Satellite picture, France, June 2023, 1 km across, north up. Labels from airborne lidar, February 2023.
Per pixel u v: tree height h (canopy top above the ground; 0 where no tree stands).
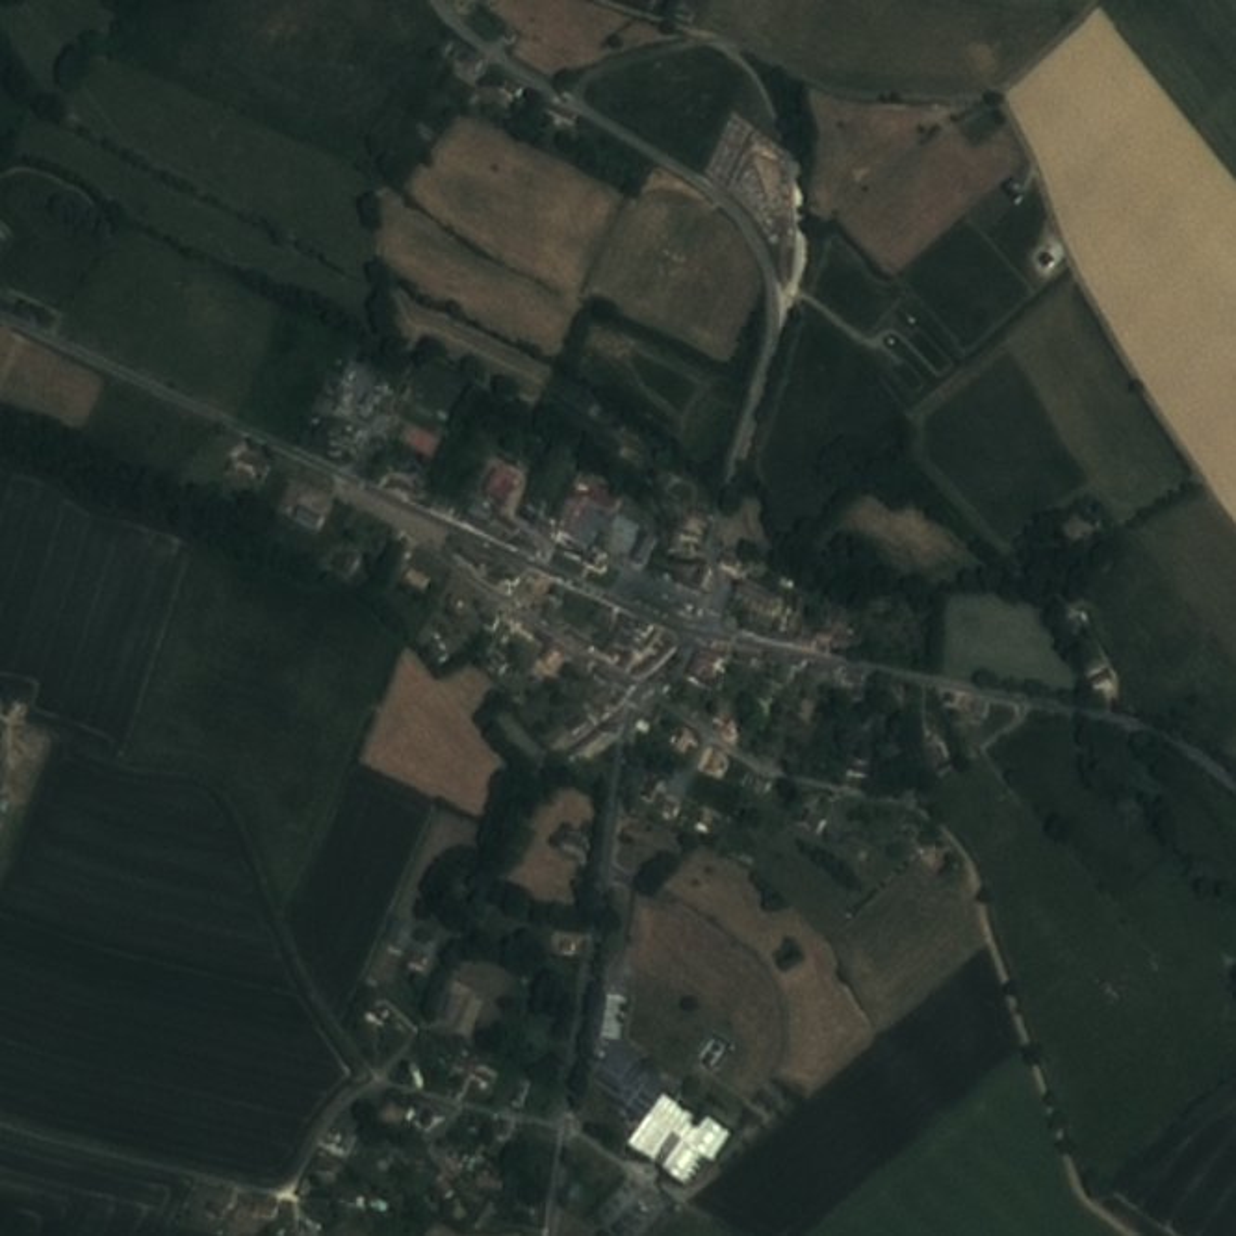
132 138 0
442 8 0
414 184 0
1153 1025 0
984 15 0
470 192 0
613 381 0
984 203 0
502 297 0
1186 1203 0
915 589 18
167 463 0
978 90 0
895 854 9
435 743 0
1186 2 0
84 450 23
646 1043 0
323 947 0
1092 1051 0
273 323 0
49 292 0
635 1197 0
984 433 0
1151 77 0
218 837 0
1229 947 0
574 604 17
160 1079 0
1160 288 0
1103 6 0
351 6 0
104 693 0
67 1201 0
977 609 0
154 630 0
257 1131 0
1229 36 0
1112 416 0
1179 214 0
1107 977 0
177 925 0
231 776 0
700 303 0
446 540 8
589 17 0
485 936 18
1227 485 0
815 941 0
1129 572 0
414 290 12
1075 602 14
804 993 0
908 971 0
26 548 0
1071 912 0
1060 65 0
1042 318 0
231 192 0
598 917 16
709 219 0
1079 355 0
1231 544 0
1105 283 0
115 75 0
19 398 0
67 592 0
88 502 17
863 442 12
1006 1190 0
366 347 8
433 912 14
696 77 0
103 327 0
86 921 0
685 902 0
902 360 0
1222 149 0
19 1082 0
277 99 0
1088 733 17
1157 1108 0
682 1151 0
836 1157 0
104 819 0
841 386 0
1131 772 0
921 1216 0
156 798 0
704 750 0
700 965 0
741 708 9
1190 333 0
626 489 12
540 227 0
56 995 0
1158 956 0
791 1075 0
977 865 0
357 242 0
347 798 0
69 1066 0
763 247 0
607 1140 13
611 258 0
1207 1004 0
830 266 0
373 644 0
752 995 0
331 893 0
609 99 0
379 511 11
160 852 0
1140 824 19
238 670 0
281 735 0
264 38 0
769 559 10
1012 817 0
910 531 0
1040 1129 0
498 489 0
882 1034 0
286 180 0
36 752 0
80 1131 0
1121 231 0
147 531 0
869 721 10
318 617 0
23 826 0
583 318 10
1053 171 0
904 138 0
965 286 0
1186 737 10
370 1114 19
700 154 0
